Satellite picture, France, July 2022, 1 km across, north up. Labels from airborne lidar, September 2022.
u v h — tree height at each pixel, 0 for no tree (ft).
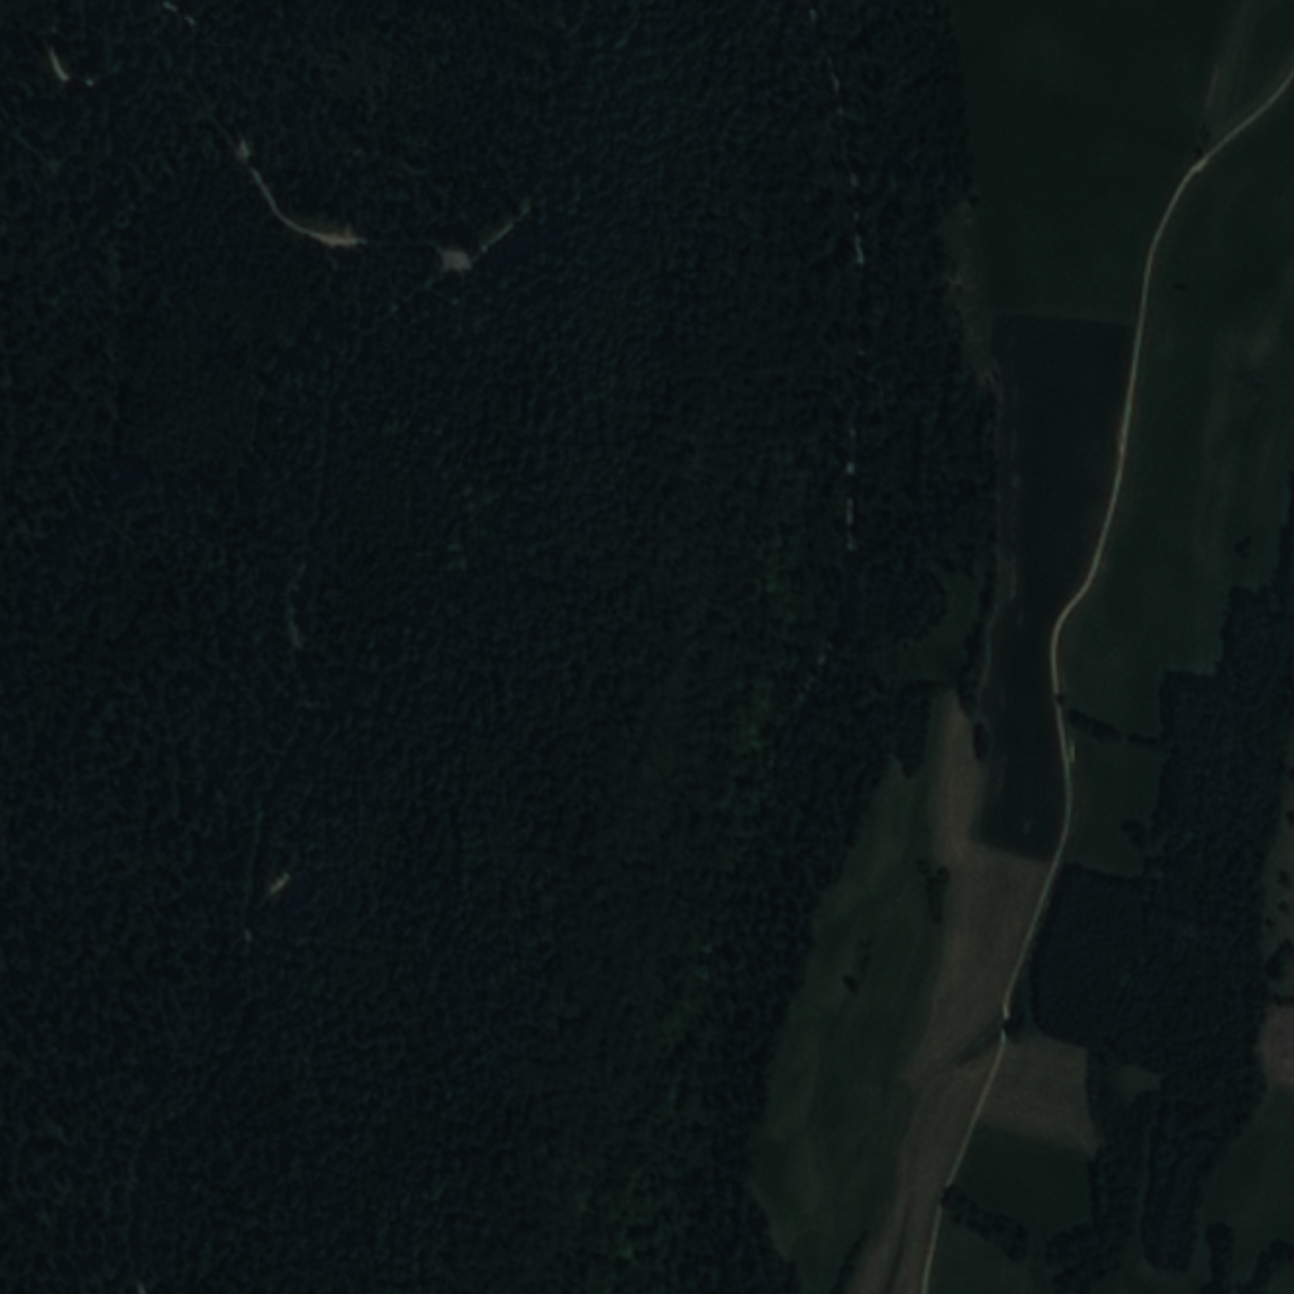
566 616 48
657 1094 94
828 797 27
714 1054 60
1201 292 0
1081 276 0
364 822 53
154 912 64
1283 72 0
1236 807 98
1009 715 0
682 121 49
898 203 125
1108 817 0
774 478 81
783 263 50
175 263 60
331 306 54
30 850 128
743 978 41
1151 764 0
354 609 34
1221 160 0
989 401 55
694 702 76
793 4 59
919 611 66
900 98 32
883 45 68
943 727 0
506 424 31
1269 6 0
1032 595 0
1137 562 0
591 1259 81
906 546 36
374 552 44
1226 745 60
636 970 58
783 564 73
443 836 87
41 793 96
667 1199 60
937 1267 0
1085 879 50
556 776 62
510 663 54
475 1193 40
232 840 83
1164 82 0
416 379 67
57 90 33
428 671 64
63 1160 31
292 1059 31
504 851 55
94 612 74
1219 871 82
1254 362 0
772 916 77
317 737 35
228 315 27
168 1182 25
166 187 62
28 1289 49
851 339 57
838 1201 0
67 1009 46
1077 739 0
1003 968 0
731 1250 50
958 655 0
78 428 58
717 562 67
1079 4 0
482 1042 43
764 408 83
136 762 113
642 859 81
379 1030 59
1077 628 0
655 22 52
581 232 82
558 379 55
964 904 0
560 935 53
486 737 73
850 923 0
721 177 49
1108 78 0
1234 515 0
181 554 46
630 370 45
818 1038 0
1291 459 0
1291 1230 0
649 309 53
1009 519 0
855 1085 0
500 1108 23
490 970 69
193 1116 43
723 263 65
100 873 38
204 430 32
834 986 0
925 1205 0
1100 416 0
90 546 84
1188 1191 72
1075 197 0
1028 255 0
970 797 0
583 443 55
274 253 43
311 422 55
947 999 0
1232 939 56
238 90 111
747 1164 72
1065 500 0
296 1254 35
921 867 22
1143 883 29
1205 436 0
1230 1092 22
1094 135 0
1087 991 55
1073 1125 0
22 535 64
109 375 25
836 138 23
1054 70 0
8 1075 77
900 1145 0
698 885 101
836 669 31
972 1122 0
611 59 45
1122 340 0
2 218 61
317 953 59
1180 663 0
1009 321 0
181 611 30
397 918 65
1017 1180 0
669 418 65
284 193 55
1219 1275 57
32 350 82
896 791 0
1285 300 0
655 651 43
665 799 62
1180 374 0
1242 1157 0
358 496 22
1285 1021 0
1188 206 0
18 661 69
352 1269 31
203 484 106
